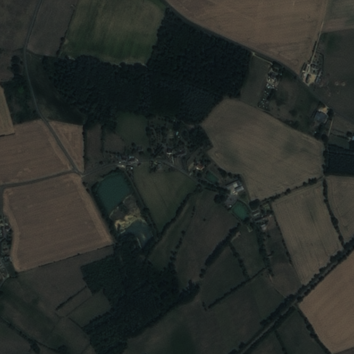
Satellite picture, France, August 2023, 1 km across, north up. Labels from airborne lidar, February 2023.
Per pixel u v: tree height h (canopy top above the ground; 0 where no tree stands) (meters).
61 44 6
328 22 0
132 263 7
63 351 11
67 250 0
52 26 0
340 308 0
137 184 0
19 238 0
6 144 0
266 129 0
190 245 0
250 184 0
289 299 13
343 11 0
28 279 0
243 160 0
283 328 0
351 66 0
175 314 0
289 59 0
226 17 0
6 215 0
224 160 0
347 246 13
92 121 9
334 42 0
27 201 0
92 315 0
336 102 0
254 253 0
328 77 0
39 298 0
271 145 0
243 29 0
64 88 16
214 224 0
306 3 0
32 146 0
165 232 12
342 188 0
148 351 0
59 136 0
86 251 0
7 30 0
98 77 25
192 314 0
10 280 0
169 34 17
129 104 19
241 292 0
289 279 0
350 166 11
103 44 0
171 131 0
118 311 14
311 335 11
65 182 0
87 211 0
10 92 6
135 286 9
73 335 0
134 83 13
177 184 0
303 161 0
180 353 0
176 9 0
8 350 0
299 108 0
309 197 0
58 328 0
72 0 0
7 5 0
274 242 0
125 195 0
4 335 0
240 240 0
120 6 0
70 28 0
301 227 0
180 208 11
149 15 0
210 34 0
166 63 9
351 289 0
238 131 0
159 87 22
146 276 7
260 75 0
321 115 0
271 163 0
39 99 0
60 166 0
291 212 0
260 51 0
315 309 0
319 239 0
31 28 0
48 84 0
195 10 0
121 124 0
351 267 0
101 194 0
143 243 0
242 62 25
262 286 0
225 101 0
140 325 25
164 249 0
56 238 0
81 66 21
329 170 11
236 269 0
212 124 0
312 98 0
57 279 0
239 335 0
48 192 0
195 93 23
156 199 0
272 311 0
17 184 0
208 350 0
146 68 13
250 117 0
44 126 0
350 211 0
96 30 0
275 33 0
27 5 0
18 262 0
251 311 0
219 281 0
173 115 10
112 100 24
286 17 0
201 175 10
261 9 0
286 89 0
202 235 0
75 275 0
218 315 0
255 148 0
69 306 0
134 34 0
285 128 0
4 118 0
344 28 0
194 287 25
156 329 0
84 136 6
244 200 0
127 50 0
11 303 0
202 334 0
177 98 10
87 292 0
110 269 8
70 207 0
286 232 0
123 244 11
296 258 0
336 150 10
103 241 0
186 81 14
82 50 0
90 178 0
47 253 0
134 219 0
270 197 6
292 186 0
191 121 13
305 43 0
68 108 0
